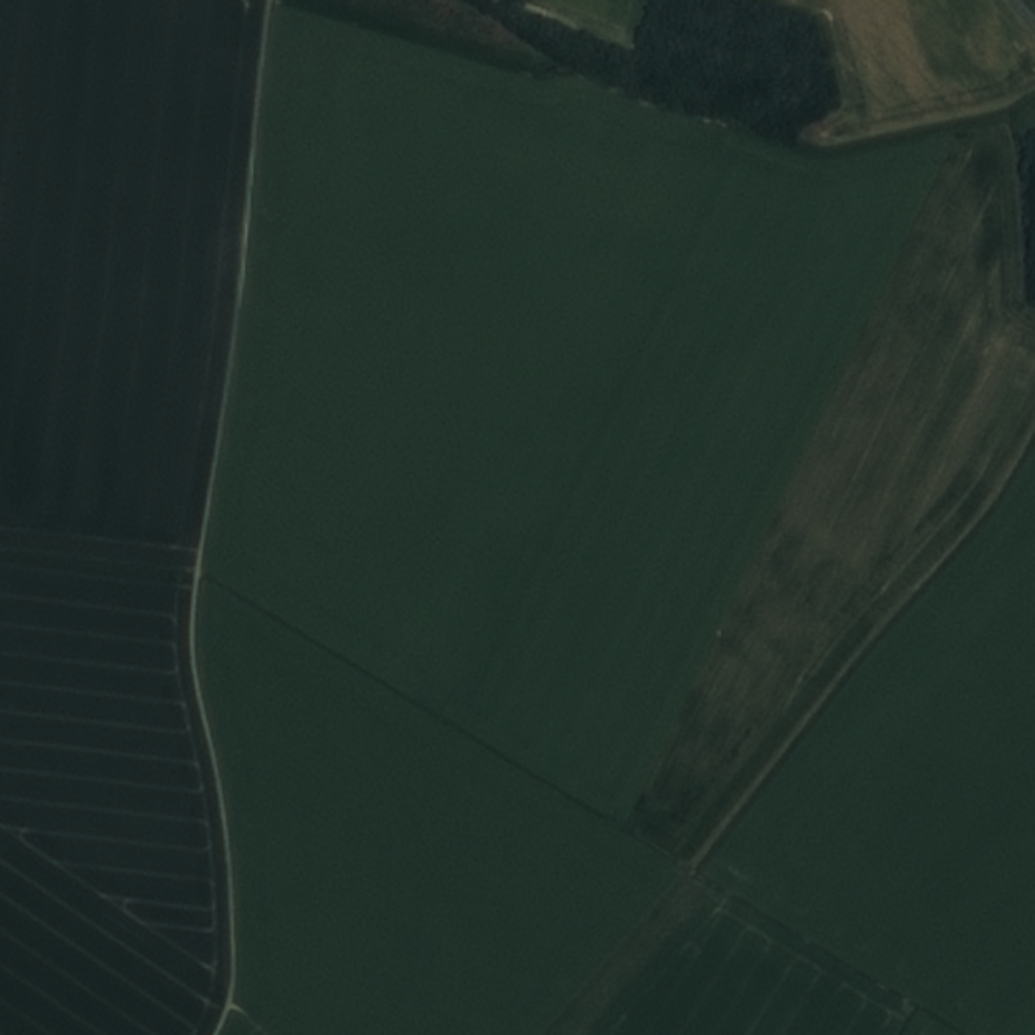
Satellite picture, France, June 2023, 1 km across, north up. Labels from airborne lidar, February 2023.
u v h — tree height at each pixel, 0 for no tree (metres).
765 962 0
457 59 0
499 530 0
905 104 0
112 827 0
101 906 0
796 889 0
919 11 0
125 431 0
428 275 0
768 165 0
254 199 0
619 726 0
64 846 0
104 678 0
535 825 0
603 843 0
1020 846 0
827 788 0
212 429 0
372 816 0
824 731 0
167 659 0
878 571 0
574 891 0
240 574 0
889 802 0
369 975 0
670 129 0
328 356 0
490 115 0
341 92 0
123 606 0
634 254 0
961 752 0
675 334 0
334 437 0
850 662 0
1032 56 0
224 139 0
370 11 0
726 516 0
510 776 0
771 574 0
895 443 0
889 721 0
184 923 0
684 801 0
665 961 0
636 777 0
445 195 0
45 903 0
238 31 0
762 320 0
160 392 0
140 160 0
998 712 0
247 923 0
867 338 0
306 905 0
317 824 0
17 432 0
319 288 0
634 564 0
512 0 12
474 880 0
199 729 0
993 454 0
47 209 0
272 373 0
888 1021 0
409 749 0
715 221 0
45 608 0
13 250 0
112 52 0
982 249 0
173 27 0
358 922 0
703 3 17
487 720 0
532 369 0
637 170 0
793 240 0
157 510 0
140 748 0
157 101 0
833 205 0
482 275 0
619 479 0
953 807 0
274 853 0
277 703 0
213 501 0
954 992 0
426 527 0
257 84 0
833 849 0
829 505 0
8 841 0
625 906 0
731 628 0
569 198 0
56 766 0
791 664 0
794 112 15
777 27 16
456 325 0
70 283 0
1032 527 0
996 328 0
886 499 0
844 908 0
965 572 0
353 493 0
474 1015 0
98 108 0
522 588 0
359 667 0
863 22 0
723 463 0
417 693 0
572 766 0
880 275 0
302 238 0
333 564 0
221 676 0
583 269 0
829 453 0
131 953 0
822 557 0
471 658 0
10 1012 0
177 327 0
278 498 0
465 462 0
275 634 0
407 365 0
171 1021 0
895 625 0
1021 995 0
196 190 0
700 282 0
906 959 0
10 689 0
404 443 0
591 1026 0
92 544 0
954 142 0
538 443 0
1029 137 9
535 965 0
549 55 11
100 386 0
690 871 0
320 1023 0
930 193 0
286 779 0
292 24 0
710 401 0
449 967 0
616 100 0
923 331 0
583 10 0
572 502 0
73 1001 0
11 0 0
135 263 0
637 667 0
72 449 0
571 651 0
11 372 0
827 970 0
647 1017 0
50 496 0
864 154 0
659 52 14
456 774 0
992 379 0
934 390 0
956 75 0
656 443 0
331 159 0
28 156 0
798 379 0
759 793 0
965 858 0
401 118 0
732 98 14
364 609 0
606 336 0
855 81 0
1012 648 0
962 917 0
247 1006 0
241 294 0
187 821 0
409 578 0
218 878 0
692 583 0
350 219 0
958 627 0
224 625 0
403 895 0
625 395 0
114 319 0
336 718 0
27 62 0
